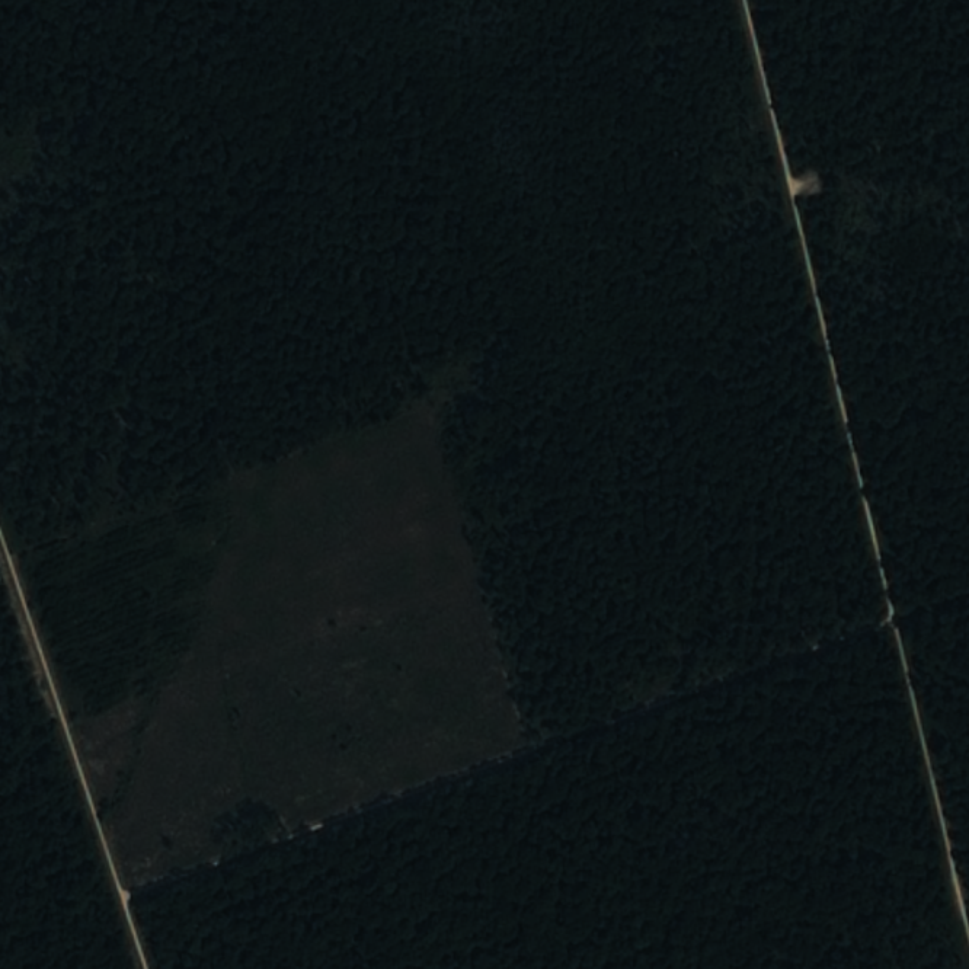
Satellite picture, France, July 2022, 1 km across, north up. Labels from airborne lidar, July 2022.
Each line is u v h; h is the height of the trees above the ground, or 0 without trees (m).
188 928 22
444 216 24
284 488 0
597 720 9
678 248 30
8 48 27
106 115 33
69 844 25
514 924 15
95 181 29
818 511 25
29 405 28
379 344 27
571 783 30
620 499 26
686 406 28
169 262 29
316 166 27
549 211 21
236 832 26
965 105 23
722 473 23
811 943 26
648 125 27
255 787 0
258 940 24
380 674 0
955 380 21
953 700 25
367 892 25
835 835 25
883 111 24
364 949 28
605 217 24
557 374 26
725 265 25
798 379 28
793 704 25
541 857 31
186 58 31
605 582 25
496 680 0
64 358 31
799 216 0
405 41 22
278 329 28
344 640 0
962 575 26
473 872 26
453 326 28
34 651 0
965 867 20
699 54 29
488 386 24
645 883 28
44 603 8
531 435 27
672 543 27
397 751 0
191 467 24
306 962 19
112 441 30
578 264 22
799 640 29
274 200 28
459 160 24
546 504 21
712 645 28
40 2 28
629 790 25
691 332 20
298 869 24
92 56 31
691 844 28
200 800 0
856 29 23
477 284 27
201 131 28
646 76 23
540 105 23
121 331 27
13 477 22
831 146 12
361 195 26
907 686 17
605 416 20
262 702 0
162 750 0
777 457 26
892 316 23
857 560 28
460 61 21
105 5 32
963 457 25
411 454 0
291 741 0
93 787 0
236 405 28
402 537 0
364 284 25
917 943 24
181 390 21
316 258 27
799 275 9
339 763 0
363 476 0
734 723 29
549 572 21
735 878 28
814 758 28
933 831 24
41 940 19
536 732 20
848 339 24
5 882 23
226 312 26
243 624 0
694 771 27
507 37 21
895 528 25
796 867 28
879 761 27
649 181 25
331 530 0
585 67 27
